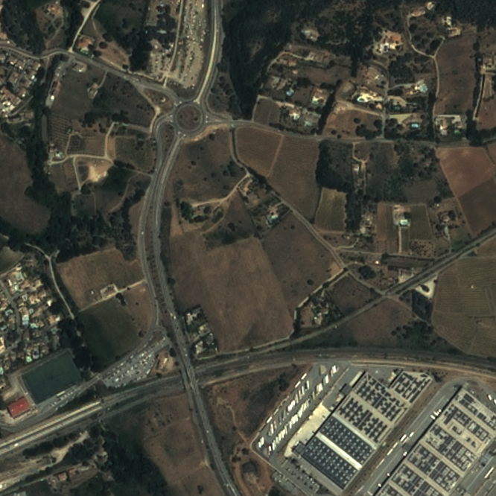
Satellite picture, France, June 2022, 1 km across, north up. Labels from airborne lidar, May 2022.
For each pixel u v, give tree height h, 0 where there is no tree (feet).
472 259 0
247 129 0
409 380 0
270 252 0
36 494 0
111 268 0
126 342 0
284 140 0
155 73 0
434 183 0
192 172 0
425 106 43
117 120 50
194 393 0
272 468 0
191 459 0
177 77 0
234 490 0
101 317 0
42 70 37
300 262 0
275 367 0
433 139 32
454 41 0
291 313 0
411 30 25
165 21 33
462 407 0
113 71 0
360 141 0
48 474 22
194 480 0
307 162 0
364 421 0
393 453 0
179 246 0
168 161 0
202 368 0
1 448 0
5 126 31
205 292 0
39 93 52
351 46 26
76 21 40
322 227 0
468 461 0
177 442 0
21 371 0
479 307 0
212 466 23
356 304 0
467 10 29
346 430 0
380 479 0
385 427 0
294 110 0
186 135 0
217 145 0
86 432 0
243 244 0
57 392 0
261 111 0
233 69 31
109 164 0
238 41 20
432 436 0
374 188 0
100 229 40
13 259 0
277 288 0
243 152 0
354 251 0
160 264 0
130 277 0
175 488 0
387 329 0
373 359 0
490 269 0
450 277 0
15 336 33
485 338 0
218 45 0
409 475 0
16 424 0
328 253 0
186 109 0
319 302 46
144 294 0
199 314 20
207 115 0
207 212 29
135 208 0
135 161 0
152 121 0
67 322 52
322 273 0
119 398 0
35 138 43
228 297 0
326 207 0
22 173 0
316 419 0
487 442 0
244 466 21
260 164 0
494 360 30
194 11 0
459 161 0
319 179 44
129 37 50
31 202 0
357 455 0
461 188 0
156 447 0
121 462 35
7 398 0
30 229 0
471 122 31
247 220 0
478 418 0
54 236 20
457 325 0
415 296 42
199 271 0
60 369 0
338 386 0
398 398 0
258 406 0
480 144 37
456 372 0
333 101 33
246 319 0
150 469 41
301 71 0
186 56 0
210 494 0
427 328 32
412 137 31
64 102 0
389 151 0
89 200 0
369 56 21
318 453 0
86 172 0
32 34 30
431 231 0
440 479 0
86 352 56
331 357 0
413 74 28
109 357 0
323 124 38
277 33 27
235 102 41
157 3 0
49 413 0
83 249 24
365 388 0
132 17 0
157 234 0
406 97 0
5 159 0
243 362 0
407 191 0
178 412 0
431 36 57
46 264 40
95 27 0
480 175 0
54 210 32
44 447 37
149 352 0
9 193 0
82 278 0
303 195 0
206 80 0
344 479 0
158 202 0
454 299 0
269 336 0
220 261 0
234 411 0
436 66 0
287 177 0
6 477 0
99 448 32
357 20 22
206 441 0
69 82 0
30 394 0
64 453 0
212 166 0
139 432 0
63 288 28
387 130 49
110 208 0
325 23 24
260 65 22
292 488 0
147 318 0
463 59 0
